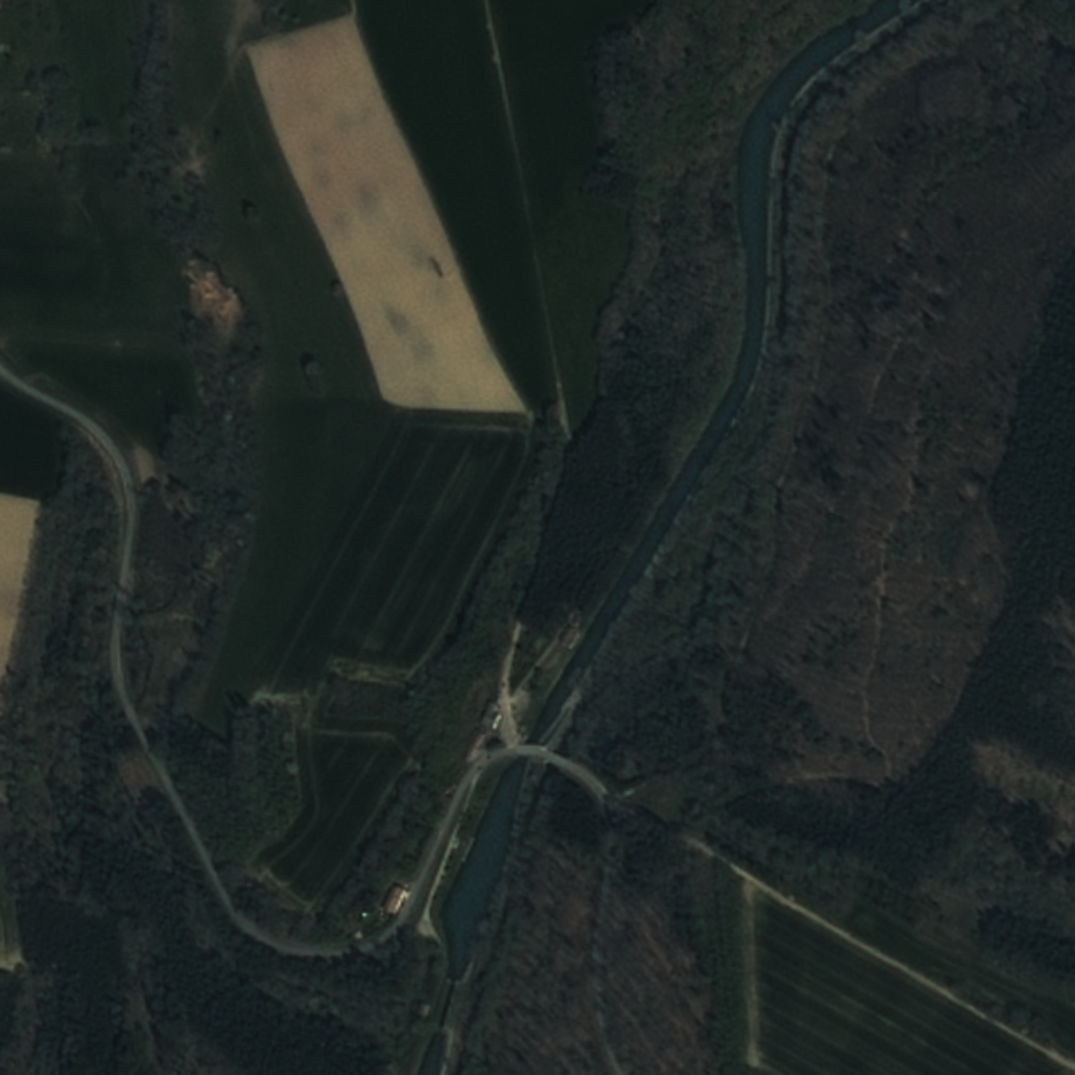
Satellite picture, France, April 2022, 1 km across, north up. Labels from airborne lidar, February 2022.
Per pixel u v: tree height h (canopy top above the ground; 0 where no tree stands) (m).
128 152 0
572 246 0
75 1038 29
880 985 0
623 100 21
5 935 0
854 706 0
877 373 24
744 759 13
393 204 0
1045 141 10
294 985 22
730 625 26
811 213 33
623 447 24
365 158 0
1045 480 18
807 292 28
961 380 9
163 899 25
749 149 0
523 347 0
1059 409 21
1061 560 18
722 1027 22
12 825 18
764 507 23
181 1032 38
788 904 0
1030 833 22
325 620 0
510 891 17
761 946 0
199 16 0
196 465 8
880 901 8
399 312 0
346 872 0
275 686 0
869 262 9
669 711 20
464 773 0
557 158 0
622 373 23
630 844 24
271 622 0
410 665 0
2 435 0
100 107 0
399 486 0
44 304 0
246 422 11
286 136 0
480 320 0
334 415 0
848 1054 0
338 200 0
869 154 8
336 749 0
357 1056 22
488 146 0
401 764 0
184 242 18
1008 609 12
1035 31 10
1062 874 22
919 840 21
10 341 0
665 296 25
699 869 18
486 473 0
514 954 30
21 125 0
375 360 0
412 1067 0
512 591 22
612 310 16
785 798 13
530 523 14
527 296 0
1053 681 19
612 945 27
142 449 0
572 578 28
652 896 28
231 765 21
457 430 0
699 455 0
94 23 0
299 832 0
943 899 0
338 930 20
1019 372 15
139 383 0
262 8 14
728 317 25
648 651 27
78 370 0
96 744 27
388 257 0
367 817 0
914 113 8
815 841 11
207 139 0
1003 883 14
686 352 20
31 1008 24
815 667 13
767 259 0
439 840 0
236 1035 26
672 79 25
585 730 18
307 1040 25
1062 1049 0
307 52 0
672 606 30
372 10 0
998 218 11
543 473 10
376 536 0
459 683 20
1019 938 25
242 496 23
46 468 0
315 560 0
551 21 0
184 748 27
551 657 0
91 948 13
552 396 0
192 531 19
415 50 0
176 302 0
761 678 24
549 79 0
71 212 0
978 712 19
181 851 25
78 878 18
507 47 0
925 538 8
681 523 27
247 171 0
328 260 0
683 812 0
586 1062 28
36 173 0
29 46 0
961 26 21
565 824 17
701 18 25
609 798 0
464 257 0
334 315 0
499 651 18
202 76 0
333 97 0
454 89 0
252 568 0
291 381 0
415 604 0
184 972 29
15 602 0
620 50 29
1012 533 17
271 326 0
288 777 22
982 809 23
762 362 0
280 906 25
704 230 18
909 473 29
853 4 17
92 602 30
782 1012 0
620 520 30
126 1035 23
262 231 0
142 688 20
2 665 0
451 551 0
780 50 27
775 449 31
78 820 29
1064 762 19
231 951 26
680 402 28
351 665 0
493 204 0
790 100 0
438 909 0
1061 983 21
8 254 0
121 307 0
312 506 0
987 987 0
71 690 8
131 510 0
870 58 14
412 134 0
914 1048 0
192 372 0
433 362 0
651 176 24
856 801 12
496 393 0
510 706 0
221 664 0
